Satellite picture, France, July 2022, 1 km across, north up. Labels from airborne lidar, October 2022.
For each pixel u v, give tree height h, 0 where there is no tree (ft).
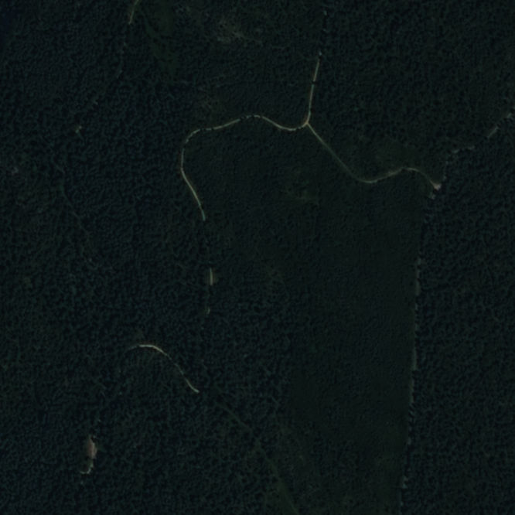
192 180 22
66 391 98
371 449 23
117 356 85
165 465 46
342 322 19
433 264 35
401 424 32
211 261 36
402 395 32
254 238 27
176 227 39
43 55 87
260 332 38
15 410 75
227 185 26
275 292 39
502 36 81
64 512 107
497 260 60
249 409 83
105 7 111
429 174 28
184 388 68
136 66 44
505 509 26
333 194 27
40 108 94
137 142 106
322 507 31
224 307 44
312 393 21
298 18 23
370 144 40
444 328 66
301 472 19
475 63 29
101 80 31
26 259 72
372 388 22
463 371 53
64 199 117
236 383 30
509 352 42
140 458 71
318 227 33
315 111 74
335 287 37
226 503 67
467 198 73
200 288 32
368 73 61
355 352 49
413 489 67
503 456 62
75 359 89
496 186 67
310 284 38
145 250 93
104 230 122
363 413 42
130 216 124
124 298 115
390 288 25
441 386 47
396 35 86
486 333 47
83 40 94
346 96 23
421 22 53
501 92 27
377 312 43
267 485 51
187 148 34
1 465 103
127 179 113
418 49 80
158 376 72
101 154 79
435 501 49
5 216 77
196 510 71
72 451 75
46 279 85
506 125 58
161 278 99
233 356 52
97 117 119
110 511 81
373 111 21
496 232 44
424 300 90
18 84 99
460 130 45
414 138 26
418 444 79
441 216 72
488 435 40
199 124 41
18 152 60
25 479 116
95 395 30
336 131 49
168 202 70
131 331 82
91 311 42
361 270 40
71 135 88
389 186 22
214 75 39
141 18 51
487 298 55
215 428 81
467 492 49
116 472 21
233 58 46
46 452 105
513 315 98
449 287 66
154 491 68
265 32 40
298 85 50
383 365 48
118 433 55
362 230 37
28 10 76
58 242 67
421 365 39
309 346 41
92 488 115
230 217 28
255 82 32
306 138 30
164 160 86
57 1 26
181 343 38
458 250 69
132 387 73
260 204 33
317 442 38
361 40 78
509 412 24
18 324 48
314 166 39
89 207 109
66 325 105
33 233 24
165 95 98
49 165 35
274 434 55
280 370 87
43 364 68
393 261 31
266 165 23
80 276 51
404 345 25
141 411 40
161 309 110
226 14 29
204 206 53
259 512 73
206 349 68
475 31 38
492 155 37
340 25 71
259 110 39
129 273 72
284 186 31
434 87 46
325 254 34
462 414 79
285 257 35
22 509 106
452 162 47
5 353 31
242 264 28
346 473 22
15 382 53
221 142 25
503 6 47
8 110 123
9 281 35
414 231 25
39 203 63
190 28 39
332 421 28
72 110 111
